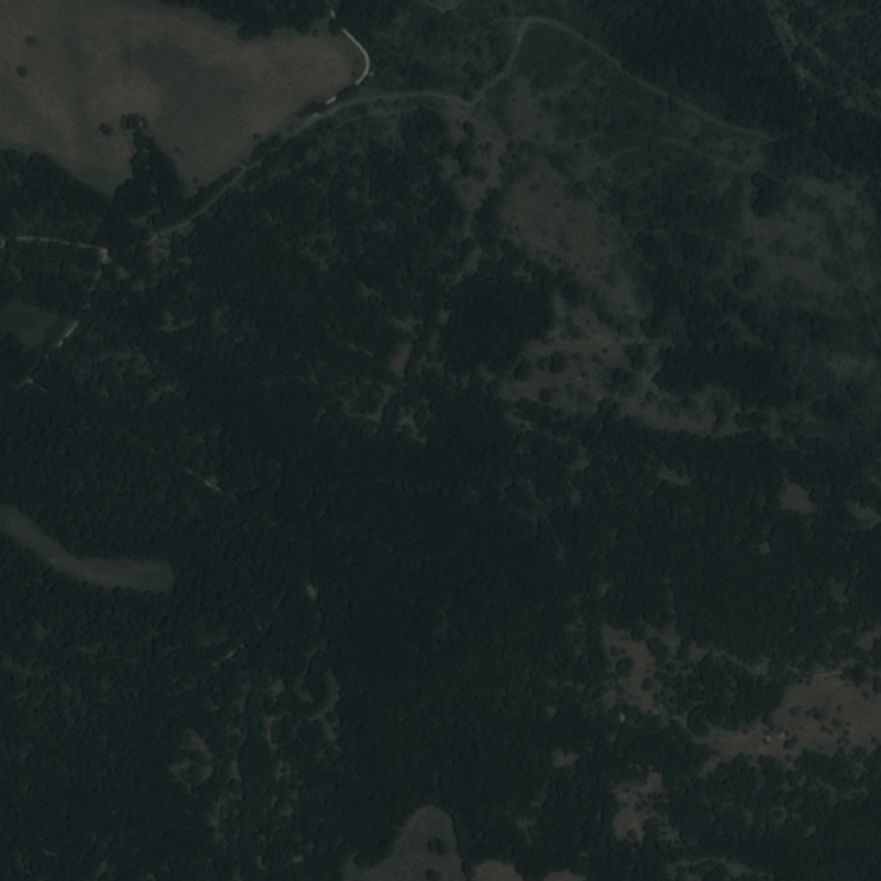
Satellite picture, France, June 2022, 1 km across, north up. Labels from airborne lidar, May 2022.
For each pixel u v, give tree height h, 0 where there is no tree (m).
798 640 9
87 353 11
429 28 6
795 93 8
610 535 11
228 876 13
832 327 9
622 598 11
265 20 10
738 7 14
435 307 9
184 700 10
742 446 13
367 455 13
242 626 15
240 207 9
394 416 10
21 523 0
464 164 8
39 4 0
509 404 8
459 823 14
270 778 9
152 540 13
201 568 11
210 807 7
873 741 7
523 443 12
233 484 11
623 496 10
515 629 13
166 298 11
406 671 15
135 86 0
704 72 11
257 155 7
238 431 14
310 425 12
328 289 12
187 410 11
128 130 6
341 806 11
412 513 15
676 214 8
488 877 0
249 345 10
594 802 12
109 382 13
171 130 0
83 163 0
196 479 10
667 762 11
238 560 15
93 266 12
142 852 11
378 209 9
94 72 0
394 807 11
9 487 12
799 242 0
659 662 7
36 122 0
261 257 14
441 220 8
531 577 11
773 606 12
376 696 14
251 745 12
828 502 11
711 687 8
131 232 11
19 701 7
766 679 7
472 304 7
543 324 7
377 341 12
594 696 7
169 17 0
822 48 9
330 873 13
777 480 8
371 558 15
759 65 16
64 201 12
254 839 11
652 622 11
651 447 12
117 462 12
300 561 15
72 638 15
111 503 12
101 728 10
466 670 12
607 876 10
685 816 11
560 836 11
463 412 13
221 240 13
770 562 11
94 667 13
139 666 8
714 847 12
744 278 13
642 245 9
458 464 14
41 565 11
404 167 14
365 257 8
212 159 0
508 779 12
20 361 10
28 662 7
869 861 8
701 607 12
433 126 11
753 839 9
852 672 7
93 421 15
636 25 11
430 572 13
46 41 0
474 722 13
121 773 14
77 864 5
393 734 14
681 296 13
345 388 7
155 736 8
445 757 12
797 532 12
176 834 13
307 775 9
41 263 12
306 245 8
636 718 7
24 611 9
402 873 0
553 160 9
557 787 12
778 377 12
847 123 12
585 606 9
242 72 0
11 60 0
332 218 11
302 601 14
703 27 14
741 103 10
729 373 13
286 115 0
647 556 10
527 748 12
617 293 0
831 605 8
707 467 12
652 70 10
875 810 13
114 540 13
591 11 9
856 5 8
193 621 17
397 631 11
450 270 6
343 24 10
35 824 13
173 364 13
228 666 12
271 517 7
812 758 8
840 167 8
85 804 13
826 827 11
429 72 7
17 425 11
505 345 14
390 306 6
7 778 9
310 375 7
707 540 12
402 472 13
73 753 8
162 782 12
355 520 15
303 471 10
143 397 12
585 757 8
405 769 12
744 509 11
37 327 0
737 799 6
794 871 12
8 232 9
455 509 12
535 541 12
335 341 9
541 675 10
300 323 11
